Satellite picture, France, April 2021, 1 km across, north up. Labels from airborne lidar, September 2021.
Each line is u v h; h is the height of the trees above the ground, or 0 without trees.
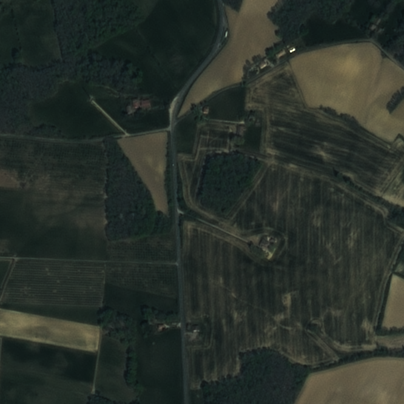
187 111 0
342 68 0
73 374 0
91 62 9
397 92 0
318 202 0
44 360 0
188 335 0
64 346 0
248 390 22
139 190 19
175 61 0
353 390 0
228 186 25
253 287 0
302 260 0
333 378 0
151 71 0
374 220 0
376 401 0
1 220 0
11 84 20
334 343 0
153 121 0
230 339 0
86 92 0
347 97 0
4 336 0
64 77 20
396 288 0
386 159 0
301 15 18
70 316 0
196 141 0
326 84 0
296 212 0
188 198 0
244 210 0
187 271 0
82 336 0
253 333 0
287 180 0
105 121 0
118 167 18
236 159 22
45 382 0
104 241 0
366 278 0
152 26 0
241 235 0
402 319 0
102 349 0
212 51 0
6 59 0
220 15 0
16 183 0
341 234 0
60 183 0
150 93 0
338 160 0
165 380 0
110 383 0
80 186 0
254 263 0
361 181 0
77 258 0
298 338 0
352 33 0
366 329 0
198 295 0
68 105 0
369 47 0
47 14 0
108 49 0
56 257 0
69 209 0
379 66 0
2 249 0
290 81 0
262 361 20
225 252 0
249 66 13
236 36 0
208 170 19
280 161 0
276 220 0
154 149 0
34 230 0
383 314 6
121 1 15
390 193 0
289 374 16
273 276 0
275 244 11
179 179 7
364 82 0
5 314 0
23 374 0
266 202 0
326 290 0
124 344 15
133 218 20
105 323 20
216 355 0
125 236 21
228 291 0
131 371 20
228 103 0
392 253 0
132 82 28
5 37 0
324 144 0
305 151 0
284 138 0
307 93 0
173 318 19
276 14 20
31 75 22
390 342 0
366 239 0
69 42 19
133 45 0
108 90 0
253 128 0
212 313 0
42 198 0
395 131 0
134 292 0
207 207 16
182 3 0
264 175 0
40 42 0
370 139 0
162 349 0
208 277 0
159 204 0
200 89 0
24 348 0
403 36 14
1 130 14
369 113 0
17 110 20
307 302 0
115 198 16
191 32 0
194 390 0
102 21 9
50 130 16
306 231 0
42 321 0
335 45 0
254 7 0
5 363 0
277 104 0
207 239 0
